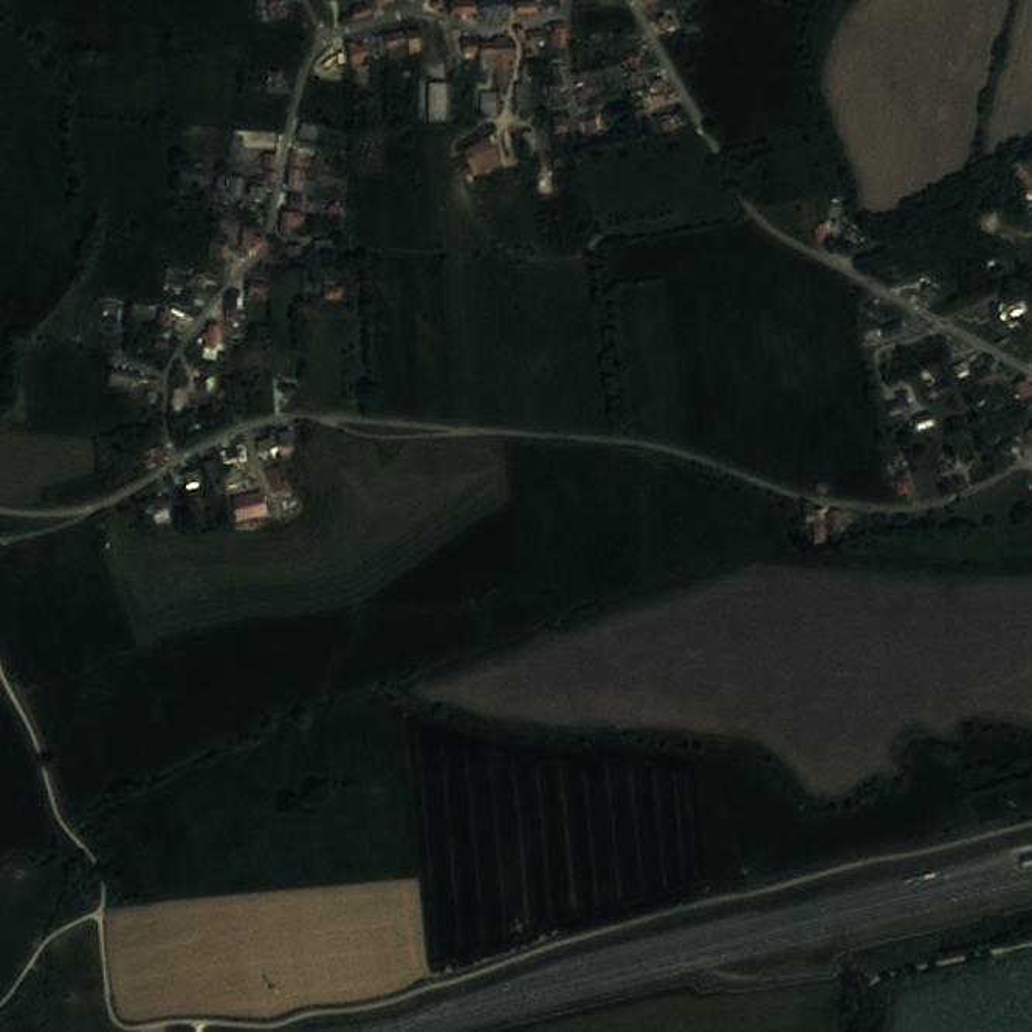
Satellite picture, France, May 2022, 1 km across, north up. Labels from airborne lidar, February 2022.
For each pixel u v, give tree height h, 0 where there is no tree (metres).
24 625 0
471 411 0
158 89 0
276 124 0
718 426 0
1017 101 0
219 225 9
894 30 0
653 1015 0
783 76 0
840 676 0
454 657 0
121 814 0
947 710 0
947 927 0
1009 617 0
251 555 0
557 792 0
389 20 0
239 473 0
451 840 0
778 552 0
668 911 0
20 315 0
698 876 0
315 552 0
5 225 0
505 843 0
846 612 0
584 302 0
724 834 0
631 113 16
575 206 0
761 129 0
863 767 0
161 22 0
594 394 0
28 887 0
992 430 0
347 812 0
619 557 0
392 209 0
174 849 0
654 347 0
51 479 0
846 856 0
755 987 0
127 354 5
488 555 0
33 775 0
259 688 0
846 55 0
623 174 0
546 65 8
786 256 0
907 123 0
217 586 0
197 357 0
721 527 0
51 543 0
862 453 0
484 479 0
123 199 0
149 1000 0
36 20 0
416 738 0
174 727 0
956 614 0
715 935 0
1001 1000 0
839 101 0
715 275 0
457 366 0
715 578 0
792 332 0
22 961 0
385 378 0
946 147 0
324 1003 0
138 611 0
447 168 0
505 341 0
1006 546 0
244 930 0
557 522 0
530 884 0
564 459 0
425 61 0
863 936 0
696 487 0
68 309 0
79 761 0
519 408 0
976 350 0
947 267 0
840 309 0
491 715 0
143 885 0
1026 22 0
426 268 0
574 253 0
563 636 0
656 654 0
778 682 0
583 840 0
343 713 0
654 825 0
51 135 0
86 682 0
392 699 11
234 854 0
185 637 0
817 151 0
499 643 0
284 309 0
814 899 0
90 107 0
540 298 0
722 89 0
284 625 0
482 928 0
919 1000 0
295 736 0
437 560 0
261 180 0
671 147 8
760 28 0
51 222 0
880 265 0
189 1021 0
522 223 0
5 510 0
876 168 0
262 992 0
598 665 0
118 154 0
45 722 0
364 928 0
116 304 0
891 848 0
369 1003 0
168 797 0
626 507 0
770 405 0
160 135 0
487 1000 0
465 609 0
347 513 0
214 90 0
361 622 0
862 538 8
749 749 0
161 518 0
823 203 0
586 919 0
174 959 0
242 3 0
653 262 0
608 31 0
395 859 0
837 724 0
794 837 0
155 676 0
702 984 0
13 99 0
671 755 0
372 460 0
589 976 0
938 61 0
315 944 0
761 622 0
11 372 12
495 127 0
